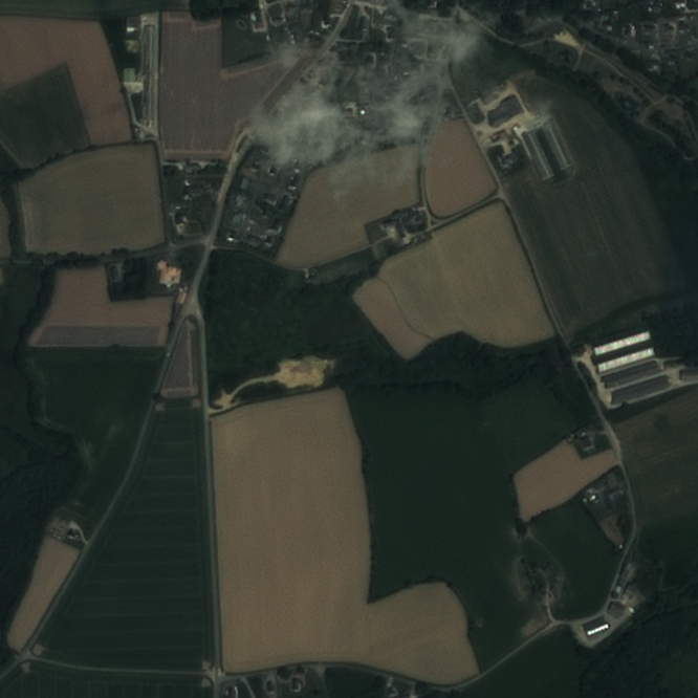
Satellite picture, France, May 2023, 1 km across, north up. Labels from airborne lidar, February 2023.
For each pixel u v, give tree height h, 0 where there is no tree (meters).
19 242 8
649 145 6
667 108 0
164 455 0
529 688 0
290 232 0
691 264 0
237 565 0
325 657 0
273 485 0
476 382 0
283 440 0
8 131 0
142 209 0
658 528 0
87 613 0
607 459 0
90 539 0
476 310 0
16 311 0
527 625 0
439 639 0
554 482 0
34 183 0
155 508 0
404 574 0
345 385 12
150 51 0
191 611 0
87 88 0
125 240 0
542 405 0
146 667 0
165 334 0
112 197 0
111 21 0
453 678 0
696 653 0
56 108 0
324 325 0
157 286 0
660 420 0
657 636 18
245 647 0
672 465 0
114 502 0
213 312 11
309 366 0
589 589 0
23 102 0
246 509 0
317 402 0
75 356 0
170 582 0
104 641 0
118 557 0
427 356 7
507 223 0
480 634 0
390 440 0
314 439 0
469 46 0
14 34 0
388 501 0
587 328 0
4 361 0
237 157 0
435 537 0
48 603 0
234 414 0
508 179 0
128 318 0
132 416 0
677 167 14
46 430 6
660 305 0
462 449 0
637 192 0
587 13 10
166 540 0
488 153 0
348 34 12
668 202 0
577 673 0
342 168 0
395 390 12
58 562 0
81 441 0
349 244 0
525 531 8
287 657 0
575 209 0
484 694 0
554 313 0
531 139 0
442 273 0
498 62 0
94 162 0
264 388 0
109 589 0
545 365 14
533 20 0
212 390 0
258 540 0
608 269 0
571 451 0
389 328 0
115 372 0
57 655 0
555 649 0
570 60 0
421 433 0
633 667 21
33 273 0
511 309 0
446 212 0
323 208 0
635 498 0
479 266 0
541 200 0
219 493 0
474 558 0
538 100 0
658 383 0
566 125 0
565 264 0
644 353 0
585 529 0
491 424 0
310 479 0
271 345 0
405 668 0
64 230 0
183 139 0
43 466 10
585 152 0
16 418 0
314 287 15
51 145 0
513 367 10
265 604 0
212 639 0
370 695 8
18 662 0
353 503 0
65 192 0
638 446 0
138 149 0
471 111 0
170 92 0
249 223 0
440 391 8
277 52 12
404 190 0
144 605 0
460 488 0
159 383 0
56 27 0
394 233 0
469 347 15
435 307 0
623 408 8
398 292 0
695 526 0
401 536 0
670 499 0
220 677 0
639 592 0
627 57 14
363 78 0
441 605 0
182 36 0
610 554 0
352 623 0
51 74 0
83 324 0
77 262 16
